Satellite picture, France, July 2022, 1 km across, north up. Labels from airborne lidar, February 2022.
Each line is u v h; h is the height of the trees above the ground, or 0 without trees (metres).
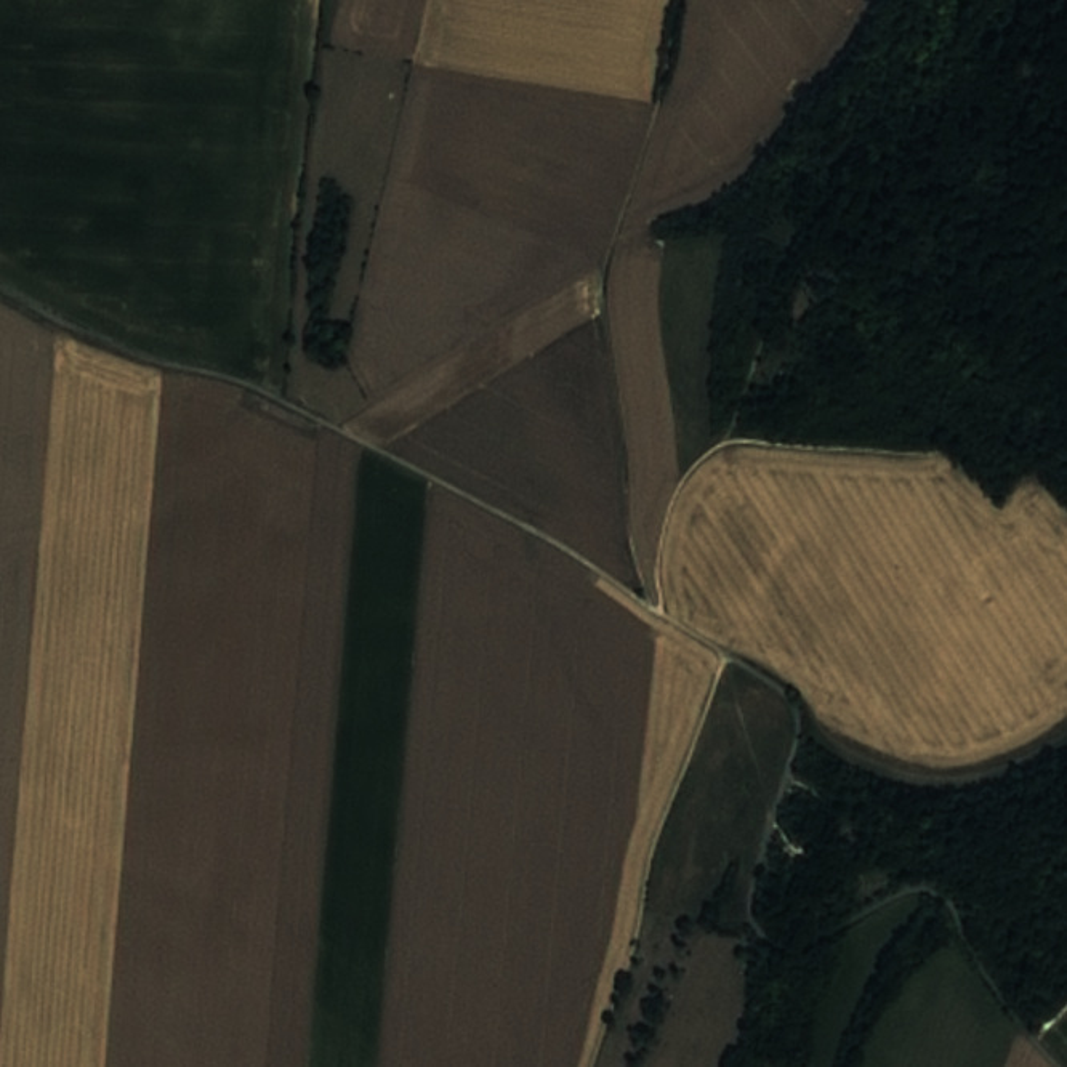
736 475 0
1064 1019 0
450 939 0
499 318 0
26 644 0
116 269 0
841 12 0
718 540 0
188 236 0
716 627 0
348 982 0
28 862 0
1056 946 13
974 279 19
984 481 14
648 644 0
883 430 8
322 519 0
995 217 18
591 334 0
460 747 0
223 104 0
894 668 0
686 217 6
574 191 0
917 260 17
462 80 0
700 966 0
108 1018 0
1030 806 19
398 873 0
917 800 21
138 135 0
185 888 0
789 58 0
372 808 0
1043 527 0
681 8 11
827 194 9
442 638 0
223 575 0
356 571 0
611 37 0
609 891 0
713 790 0
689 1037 0
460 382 0
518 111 0
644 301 0
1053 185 17
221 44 0
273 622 0
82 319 0
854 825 8
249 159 0
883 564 0
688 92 0
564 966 0
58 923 0
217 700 0
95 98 0
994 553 0
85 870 0
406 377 0
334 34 0
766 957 16
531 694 0
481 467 0
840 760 8
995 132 9
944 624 0
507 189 0
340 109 0
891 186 19
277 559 0
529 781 0
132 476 0
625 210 0
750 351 0
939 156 9
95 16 0
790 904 17
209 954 0
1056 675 0
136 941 0
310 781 0
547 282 0
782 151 21
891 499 0
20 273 0
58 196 0
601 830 0
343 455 0
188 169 0
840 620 0
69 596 0
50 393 0
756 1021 11
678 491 0
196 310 0
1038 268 19
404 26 0
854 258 21
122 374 0
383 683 0
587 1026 0
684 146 0
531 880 0
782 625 0
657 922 0
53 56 0
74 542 0
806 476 0
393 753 0
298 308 0
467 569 0
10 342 0
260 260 0
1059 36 23
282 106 0
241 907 0
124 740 0
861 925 0
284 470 0
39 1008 0
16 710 0
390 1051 0
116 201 0
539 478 0
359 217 0
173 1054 0
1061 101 22
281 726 0
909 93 13
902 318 13
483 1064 0
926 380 13
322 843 0
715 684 0
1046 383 14
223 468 0
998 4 11
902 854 9
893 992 17
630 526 0
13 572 0
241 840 0
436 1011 0
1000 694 0
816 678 0
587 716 0
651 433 0
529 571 0
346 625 0
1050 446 16
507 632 0
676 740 0
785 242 0
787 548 0
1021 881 19
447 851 0
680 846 0
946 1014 0
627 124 0
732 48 0
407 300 0
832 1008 0
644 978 0
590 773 0
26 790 0
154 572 0
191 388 0
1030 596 0
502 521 0
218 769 0
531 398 0
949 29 15
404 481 0
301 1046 0
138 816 0
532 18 0
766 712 0
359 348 0
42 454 0
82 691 0
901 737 0
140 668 0
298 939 0
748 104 0
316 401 0
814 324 7
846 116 22
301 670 0
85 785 0
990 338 22
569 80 0
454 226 0
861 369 18
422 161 0
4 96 0
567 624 0
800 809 9
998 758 0
